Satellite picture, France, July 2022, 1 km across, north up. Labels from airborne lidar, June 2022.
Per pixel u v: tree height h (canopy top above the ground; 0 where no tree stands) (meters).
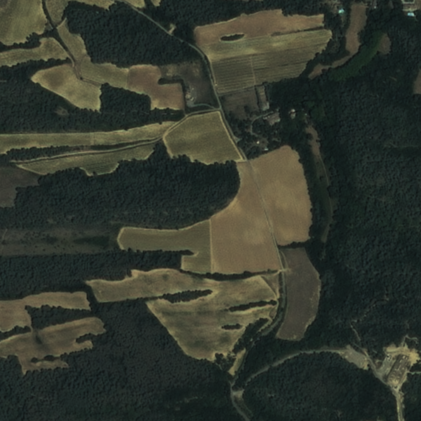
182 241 0
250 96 0
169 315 0
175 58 15
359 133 17
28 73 15
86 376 15
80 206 17
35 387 13
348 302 17
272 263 0
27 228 11
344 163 14
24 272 18
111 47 16
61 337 0
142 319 7
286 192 0
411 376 8
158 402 8
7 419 11
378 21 19
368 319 6
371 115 14
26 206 13
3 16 0
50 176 14
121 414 6
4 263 13
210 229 0
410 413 12
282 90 12
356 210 7
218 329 0
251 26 0
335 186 17
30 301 0
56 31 16
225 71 0
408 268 11
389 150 9
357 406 11
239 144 14
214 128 0
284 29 0
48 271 13
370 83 7
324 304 17
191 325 0
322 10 14
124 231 0
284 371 12
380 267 6
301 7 12
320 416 8
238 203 0
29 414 12
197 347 0
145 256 19
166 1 8
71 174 10
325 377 13
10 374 12
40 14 0
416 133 8
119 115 9
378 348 12
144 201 12
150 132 0
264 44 0
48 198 15
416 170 13
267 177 0
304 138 10
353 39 0
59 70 0
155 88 0
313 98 18
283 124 8
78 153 0
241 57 0
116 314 12
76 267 13
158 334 13
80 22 13
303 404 9
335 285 17
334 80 19
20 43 9
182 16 17
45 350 0
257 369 13
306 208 0
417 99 20
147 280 0
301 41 0
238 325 8
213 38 0
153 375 14
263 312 0
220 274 10
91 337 12
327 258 14
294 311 0
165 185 17
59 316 12
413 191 14
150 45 15
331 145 17
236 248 0
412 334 10
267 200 0
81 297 0
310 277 0
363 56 25
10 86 13
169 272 0
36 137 0
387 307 14
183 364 13
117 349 15
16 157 14
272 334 12
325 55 11
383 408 12
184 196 18
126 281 0
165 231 0
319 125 18
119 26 18
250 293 0
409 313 14
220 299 0
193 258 0
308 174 12
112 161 0
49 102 15
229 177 13
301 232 0
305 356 10
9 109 12
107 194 7
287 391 9
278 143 14
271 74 0
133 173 11
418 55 14
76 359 13
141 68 0
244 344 9
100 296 0
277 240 0
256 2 15
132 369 14
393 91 12
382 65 13
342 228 20
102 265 7
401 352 0
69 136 0
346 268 11
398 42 9
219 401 7
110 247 0
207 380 13
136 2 0
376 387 10
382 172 14
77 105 0
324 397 13
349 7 15
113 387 15
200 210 10
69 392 9
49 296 0
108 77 0
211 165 12
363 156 12
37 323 15
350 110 10
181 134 0
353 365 14
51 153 16
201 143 0
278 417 11
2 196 0
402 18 15
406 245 11
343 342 12
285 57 0
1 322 0
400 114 15
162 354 12
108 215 13
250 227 0
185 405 9
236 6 14
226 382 9
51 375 13
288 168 0
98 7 11
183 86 7
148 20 11
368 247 10
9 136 0
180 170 20
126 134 0
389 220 9
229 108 0
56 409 11
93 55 15
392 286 10
